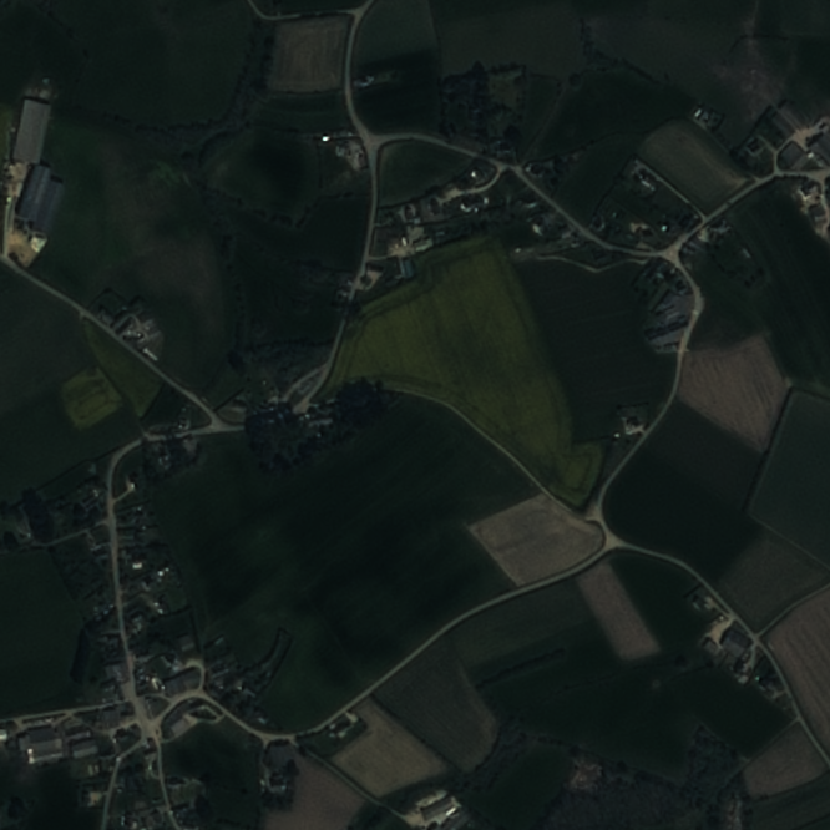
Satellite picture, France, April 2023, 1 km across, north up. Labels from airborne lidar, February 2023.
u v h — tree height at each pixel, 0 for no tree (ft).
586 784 0
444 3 0
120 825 0
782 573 0
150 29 0
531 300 0
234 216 0
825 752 0
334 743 20
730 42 0
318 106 0
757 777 0
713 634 0
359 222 0
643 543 0
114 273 0
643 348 0
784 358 0
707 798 21
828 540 0
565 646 0
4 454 0
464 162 0
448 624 0
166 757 0
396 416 0
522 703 0
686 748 0
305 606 0
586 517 0
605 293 0
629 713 0
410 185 0
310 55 0
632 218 0
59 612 0
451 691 0
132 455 0
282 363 34
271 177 0
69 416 0
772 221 0
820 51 0
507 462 0
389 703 0
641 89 0
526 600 0
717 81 0
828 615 0
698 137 0
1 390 0
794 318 0
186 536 0
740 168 33
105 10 0
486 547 0
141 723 0
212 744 0
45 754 0
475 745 0
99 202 0
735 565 0
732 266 0
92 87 0
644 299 37
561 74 0
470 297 0
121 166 0
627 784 35
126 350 0
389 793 0
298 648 0
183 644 0
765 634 0
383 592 0
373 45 0
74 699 0
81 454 0
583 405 0
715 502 0
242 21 0
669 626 0
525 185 0
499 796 0
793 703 0
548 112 0
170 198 0
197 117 0
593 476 0
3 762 0
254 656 0
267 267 0
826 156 0
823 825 0
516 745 24
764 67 0
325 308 0
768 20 0
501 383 0
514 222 31
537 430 0
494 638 0
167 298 0
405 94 0
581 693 0
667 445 0
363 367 0
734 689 0
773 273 0
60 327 0
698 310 0
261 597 0
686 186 0
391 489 0
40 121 0
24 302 0
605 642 0
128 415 0
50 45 0
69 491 0
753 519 0
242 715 37
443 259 0
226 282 0
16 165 0
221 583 0
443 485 0
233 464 0
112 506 0
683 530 0
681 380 0
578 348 0
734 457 0
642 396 0
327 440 21
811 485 0
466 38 0
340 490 0
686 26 0
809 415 0
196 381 0
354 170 0
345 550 0
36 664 0
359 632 0
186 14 0
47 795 0
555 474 0
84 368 0
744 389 0
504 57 0
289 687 0
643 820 58
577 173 0
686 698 0
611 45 0
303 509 0
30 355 0
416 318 0
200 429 0
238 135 24
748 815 28
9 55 0
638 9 0
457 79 20
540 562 0
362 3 0
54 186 0
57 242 0
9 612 0
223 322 0
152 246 0
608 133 0
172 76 0
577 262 0
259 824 23
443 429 0
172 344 0
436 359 0
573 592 0
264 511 0
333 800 0
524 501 0
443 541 0
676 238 0
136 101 0
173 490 0
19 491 0
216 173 0
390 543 0
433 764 0
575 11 0
